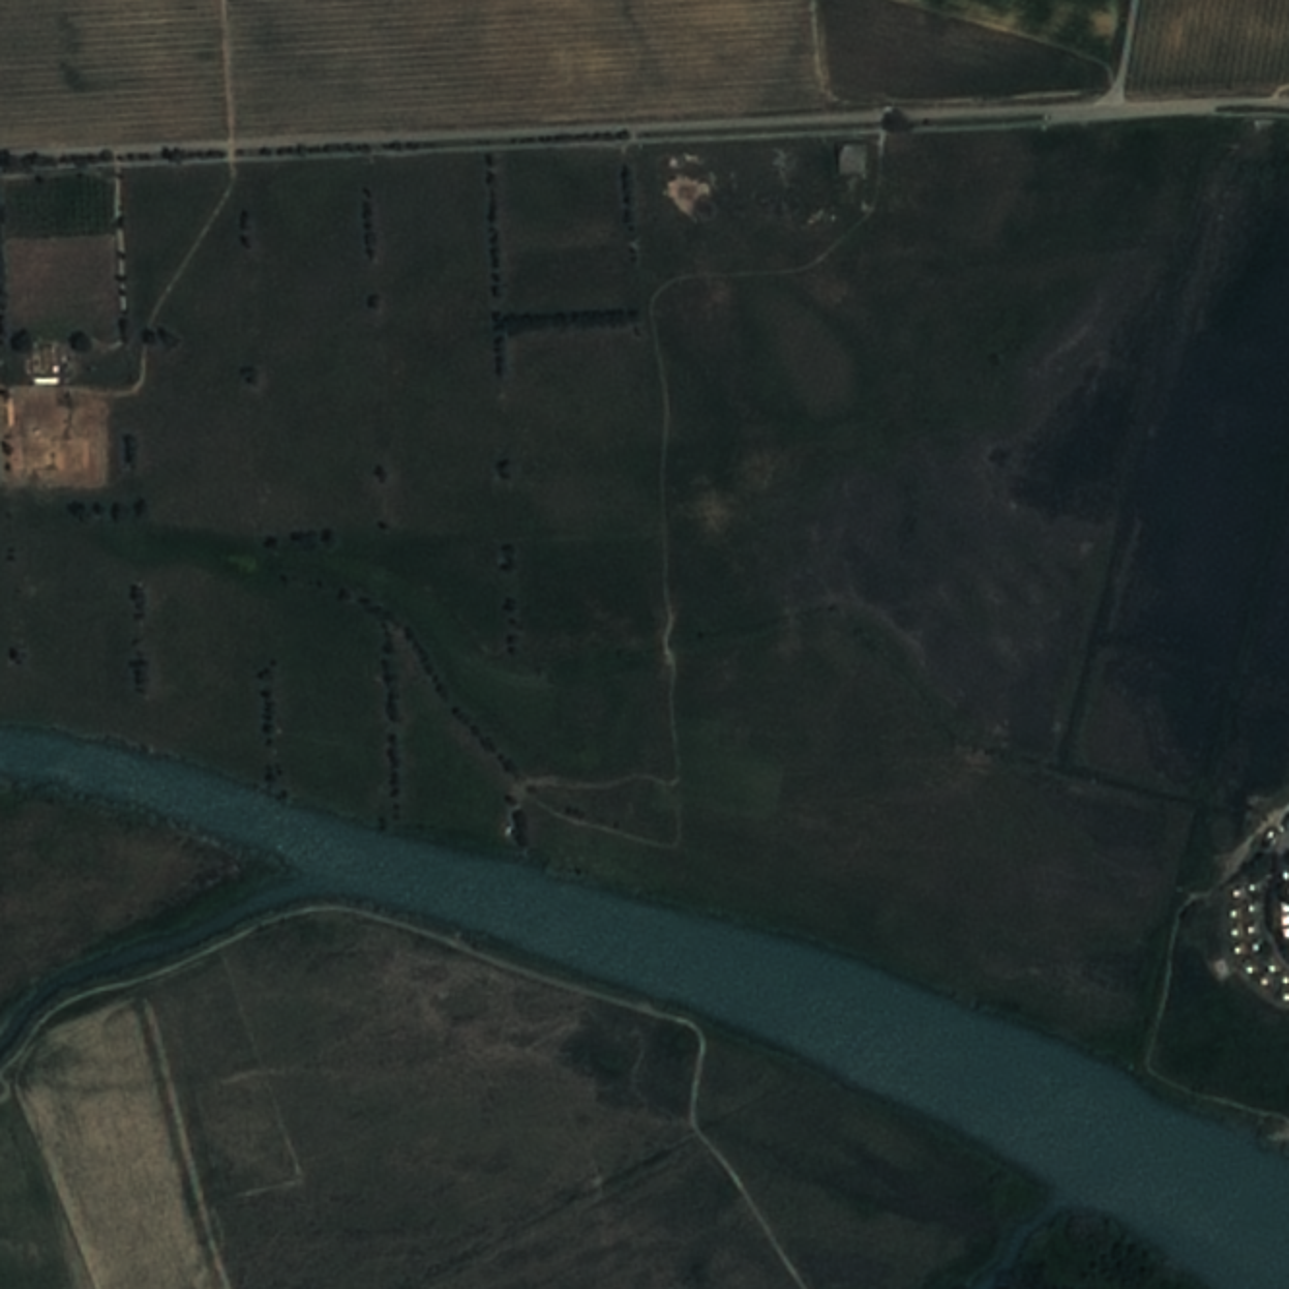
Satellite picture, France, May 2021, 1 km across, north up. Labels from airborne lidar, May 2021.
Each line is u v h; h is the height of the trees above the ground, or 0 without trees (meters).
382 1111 0
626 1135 0
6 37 0
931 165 0
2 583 0
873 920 0
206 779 0
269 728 12
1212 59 0
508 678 0
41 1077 0
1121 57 0
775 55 0
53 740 0
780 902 0
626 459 0
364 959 0
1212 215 0
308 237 0
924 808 0
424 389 0
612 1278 0
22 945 0
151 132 0
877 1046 0
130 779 0
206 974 0
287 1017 0
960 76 0
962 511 0
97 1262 0
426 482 0
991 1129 0
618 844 0
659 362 0
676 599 0
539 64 0
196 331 0
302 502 0
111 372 0
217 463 0
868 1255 0
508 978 0
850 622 0
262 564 0
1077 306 0
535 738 0
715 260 0
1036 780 0
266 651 0
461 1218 0
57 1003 7
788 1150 0
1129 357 0
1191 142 0
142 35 0
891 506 0
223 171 0
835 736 0
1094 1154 0
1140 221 0
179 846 0
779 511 0
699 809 0
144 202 0
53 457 0
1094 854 0
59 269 0
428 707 0
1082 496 0
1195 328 0
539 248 0
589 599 0
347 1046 0
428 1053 0
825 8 0
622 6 0
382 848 0
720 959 0
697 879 0
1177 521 0
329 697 0
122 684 0
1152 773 0
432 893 0
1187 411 0
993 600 0
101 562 0
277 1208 0
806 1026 0
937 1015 0
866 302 0
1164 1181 0
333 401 0
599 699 0
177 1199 0
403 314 0
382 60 0
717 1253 0
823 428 0
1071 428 0
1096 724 0
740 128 0
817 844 0
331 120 0
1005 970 0
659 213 0
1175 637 0
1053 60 0
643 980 0
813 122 0
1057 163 0
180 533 0
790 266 0
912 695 0
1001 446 0
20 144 0
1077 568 0
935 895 0
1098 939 0
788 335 0
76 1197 0
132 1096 0
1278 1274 0
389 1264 0
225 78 0
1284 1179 0
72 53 0
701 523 0
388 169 0
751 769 0
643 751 0
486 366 0
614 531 0
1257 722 0
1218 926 0
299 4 0
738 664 0
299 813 0
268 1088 0
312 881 0
